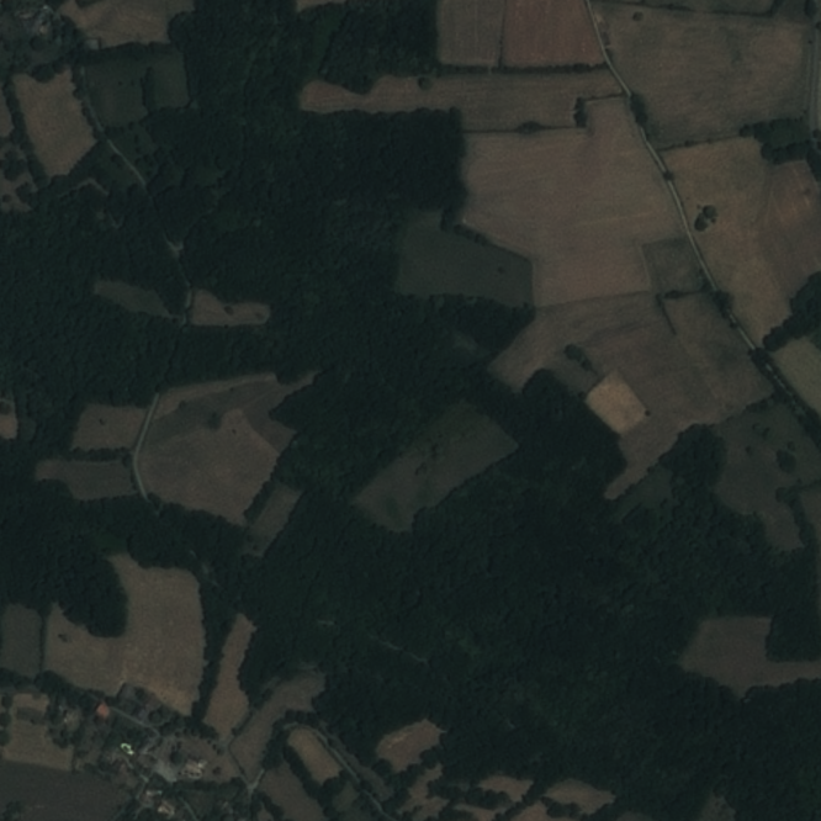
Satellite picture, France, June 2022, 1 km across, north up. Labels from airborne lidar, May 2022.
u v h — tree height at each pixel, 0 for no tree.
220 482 0
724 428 0
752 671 0
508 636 15
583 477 16
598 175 0
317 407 16
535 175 0
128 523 19
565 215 0
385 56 14
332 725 12
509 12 0
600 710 15
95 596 23
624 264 0
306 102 0
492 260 0
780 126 13
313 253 9
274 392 0
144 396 16
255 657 17
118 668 0
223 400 0
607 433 14
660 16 0
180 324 10
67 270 13
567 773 14
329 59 14
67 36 14
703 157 0
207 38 19
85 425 0
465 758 20
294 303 12
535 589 19
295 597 15
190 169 14
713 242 0
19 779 0
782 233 0
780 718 18
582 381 0
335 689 11
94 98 0
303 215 10
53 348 15
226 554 18
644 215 0
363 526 17
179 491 0
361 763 16
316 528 17
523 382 0
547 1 0
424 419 14
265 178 12
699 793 25
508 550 20
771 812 10
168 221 15
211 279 13
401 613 6
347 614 18
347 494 15
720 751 16
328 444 10
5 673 11
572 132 0
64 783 0
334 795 14
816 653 16
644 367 0
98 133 10
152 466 0
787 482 0
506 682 13
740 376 0
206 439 0
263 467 0
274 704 0
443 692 13
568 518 16
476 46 0
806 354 0
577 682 14
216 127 16
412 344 18
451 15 0
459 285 0
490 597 17
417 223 0
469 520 12
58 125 0
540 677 15
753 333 0
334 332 16
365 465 10
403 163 18
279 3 15
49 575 16
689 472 14
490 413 15
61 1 6
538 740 20
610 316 0
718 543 18
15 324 13
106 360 18
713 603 17
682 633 17
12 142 13
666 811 17
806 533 13
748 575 18
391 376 21
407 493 0
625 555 15
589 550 24
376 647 14
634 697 17
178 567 16
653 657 17
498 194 0
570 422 15
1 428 0
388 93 0
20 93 0
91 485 0
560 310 0
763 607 14
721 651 0
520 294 0
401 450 11
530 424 15
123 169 12
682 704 21
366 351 18
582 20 0
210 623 15
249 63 11
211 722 0
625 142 0
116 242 15
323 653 15
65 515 20
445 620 9
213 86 15
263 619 16
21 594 20
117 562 0
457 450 0
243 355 11
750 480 0
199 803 0
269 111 14
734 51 0
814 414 13
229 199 14
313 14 6
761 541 15
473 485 12
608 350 0
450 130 7
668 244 0
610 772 12
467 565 16
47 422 15
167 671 0
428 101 0
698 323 0
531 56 0
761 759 16
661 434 0
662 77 0
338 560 15
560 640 22
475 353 0
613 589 14
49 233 11
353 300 17
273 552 16
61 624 0
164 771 0
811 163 14
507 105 0
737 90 0
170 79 0
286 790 0
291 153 12
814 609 14
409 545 12
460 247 0
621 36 0
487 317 15
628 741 16
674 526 13
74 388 16
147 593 0
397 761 0
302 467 11
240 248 9
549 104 0
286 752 16
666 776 15
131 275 11
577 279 0
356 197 18
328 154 20
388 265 19
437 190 16
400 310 19
